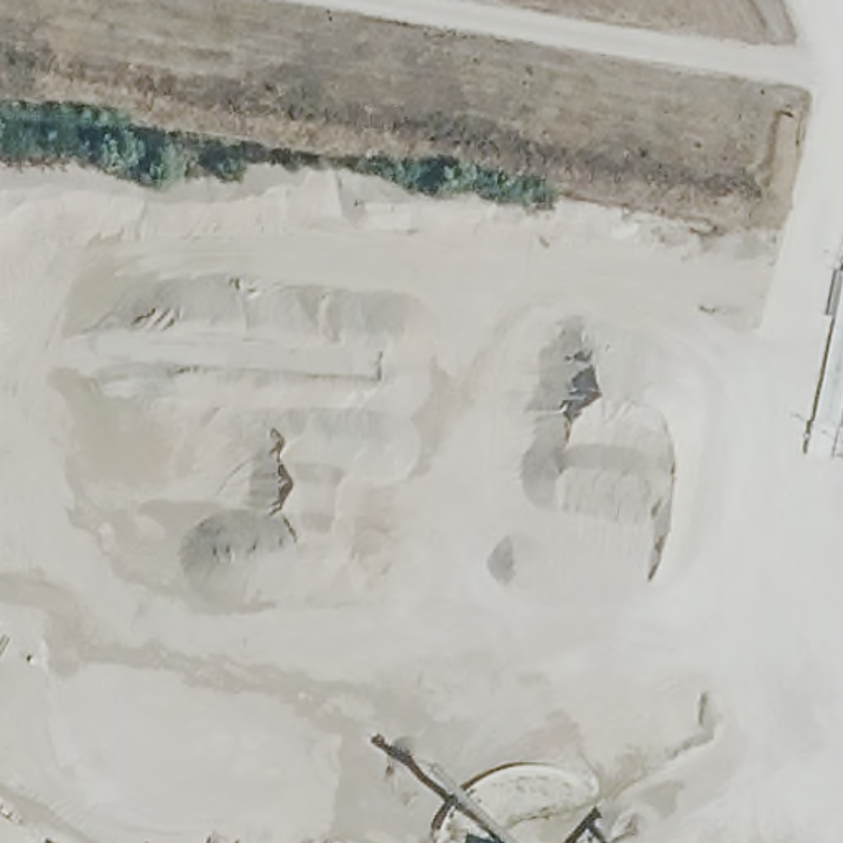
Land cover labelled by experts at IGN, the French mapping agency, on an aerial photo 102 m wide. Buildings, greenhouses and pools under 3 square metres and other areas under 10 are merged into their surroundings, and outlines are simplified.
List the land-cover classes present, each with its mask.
<instances>
[{"label":"pervious surface","instance_id":"1","mask_svg":"<svg viewBox=\"0 0 843 843\"><path fill-rule=\"evenodd\" d=\"M408 20L438 30L487 33L504 40L543 43L557 49L659 63L688 72H724L754 82H790L807 89L810 119L794 184V204L784 231L757 227L724 234L711 244V250H705L701 240L685 231V221L645 211L557 201L553 207L540 211L520 204H494L477 194L431 198L405 191L385 178L356 175L346 168L290 171L283 165H247L240 181H221L204 175L165 181L158 188H142L135 181L102 175L99 168L79 161H59L46 168L7 161L0 165V843H843V0H787L797 23V43L751 46L738 40L626 30L573 16L530 13L501 0H290Z\"/></svg>","mask_w":843,"mask_h":843},{"label":"herbaceous vegetation","instance_id":"2","mask_svg":"<svg viewBox=\"0 0 843 843\"><path fill-rule=\"evenodd\" d=\"M49 43L59 63H128L151 69L155 79L168 72L237 79L244 69L293 63L313 72H339L336 82L323 86L319 105L326 109L352 102L366 115H375L385 105H395L405 119L441 112L448 119H484L540 145L589 148L612 161H622L639 148H649L655 161L685 165L705 178L751 171L764 198H718L685 184L668 188L652 181L609 184L603 178L593 181L589 171L563 168H550L547 181L557 201L645 211L685 221V231L701 240L705 250H711V244L724 234L757 227L784 231L794 204V184L810 119L807 89L790 82H754L724 72H688L659 63L557 49L543 43L504 40L487 33L438 30L408 20L290 0H0V46L33 53L36 46ZM0 102L112 105L122 112V119L135 125L211 138L224 145L257 142L267 148L316 155L333 151L369 158H428L431 142L405 145L395 138V132H352L326 122L194 109L138 89L86 86L36 69L0 66ZM451 158L458 165L471 161L474 168L524 178V168L514 171L501 165V158H468L464 148H454Z\"/></svg>","mask_w":843,"mask_h":843},{"label":"brushwood","instance_id":"3","mask_svg":"<svg viewBox=\"0 0 843 843\"><path fill-rule=\"evenodd\" d=\"M0 66L36 69L86 86L138 89L194 109L326 122L352 132H395V138L405 145L431 142L428 158H451L454 148H464L468 158H501V165L514 171L524 168V178L533 175L547 181L550 168H563L589 171L593 181L603 178L609 184L652 181L668 188L685 184L718 198H764L751 171L705 178L685 165L655 161L649 148H639L622 161H612L589 148L540 145L484 119H448L441 112L405 119L395 105H385L375 115H366L352 102L326 109L319 105L323 86L336 82L339 72H313L293 63L244 69L237 79L168 72L155 79L151 69L128 63H59L49 43L36 46L33 53L0 46ZM0 122L33 132L76 135L82 142H105L102 125H119L122 142L138 138L142 145L178 148L194 158L204 155V145L211 138L135 125L122 119V112L112 105L0 102Z\"/></svg>","mask_w":843,"mask_h":843},{"label":"deciduous trees","instance_id":"4","mask_svg":"<svg viewBox=\"0 0 843 843\"><path fill-rule=\"evenodd\" d=\"M105 142H82L76 135L33 132L0 122V165L7 161L46 168L59 161H79L99 168L102 175L135 181L142 188H158L165 181L204 175L221 181H240L247 165H283L290 171L346 168L356 175L385 178L405 191L431 198L477 194L494 204H520L540 211L553 207L557 201L547 181L533 175L524 178L474 168L471 161L458 165L451 158H369L333 151L316 155L267 148L257 142L224 145L211 138L204 145V155L194 158L178 148L142 145L138 138L122 142L119 125H102Z\"/></svg>","mask_w":843,"mask_h":843},{"label":"plowed land","instance_id":"5","mask_svg":"<svg viewBox=\"0 0 843 843\"><path fill-rule=\"evenodd\" d=\"M530 13L573 16L626 30L738 40L751 46L797 43V23L787 0H501Z\"/></svg>","mask_w":843,"mask_h":843}]
</instances>
